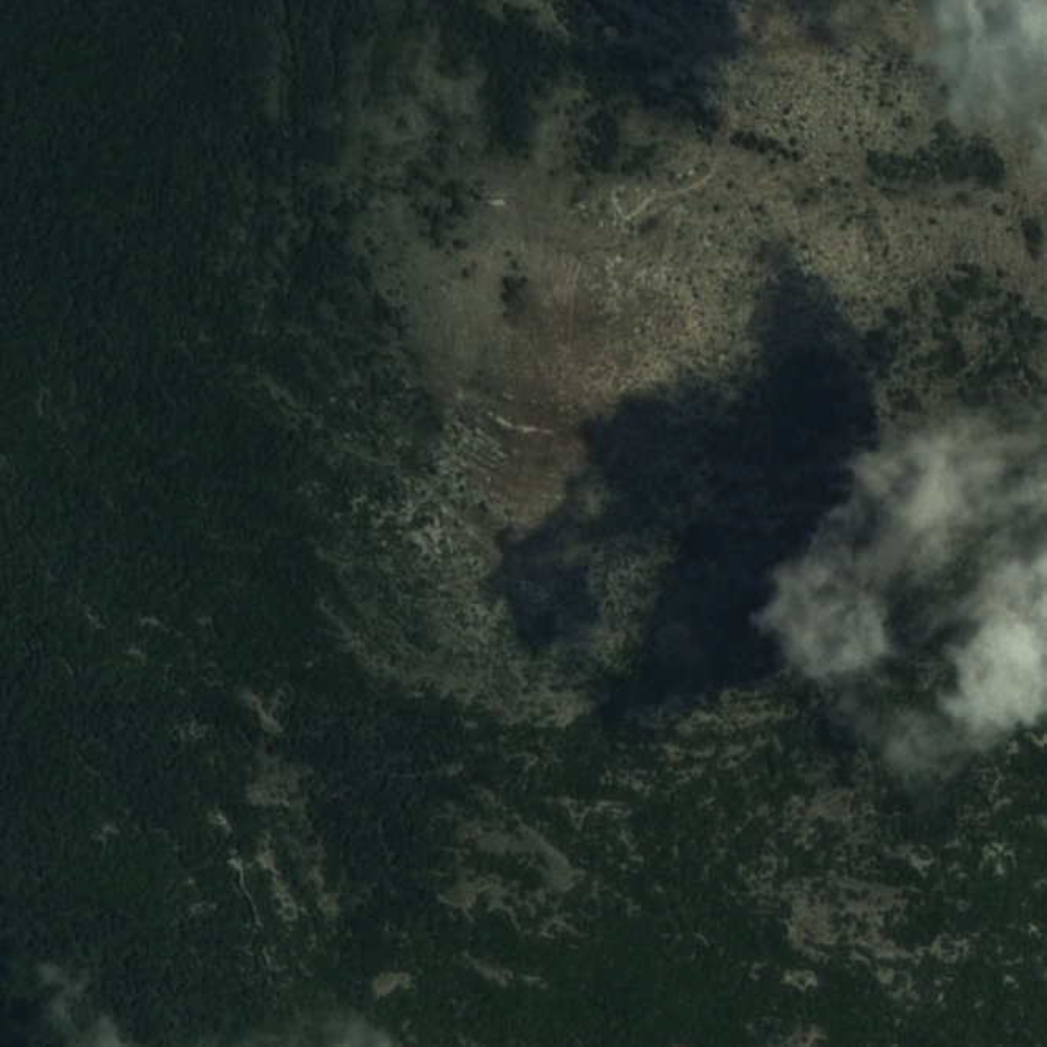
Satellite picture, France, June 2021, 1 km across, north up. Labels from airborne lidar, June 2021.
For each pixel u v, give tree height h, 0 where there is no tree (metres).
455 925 6
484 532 0
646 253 0
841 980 6
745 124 0
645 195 0
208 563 8
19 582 7
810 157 0
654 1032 6
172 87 6
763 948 6
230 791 6
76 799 7
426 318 0
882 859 8
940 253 0
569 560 0
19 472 6
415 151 0
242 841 7
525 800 6
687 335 0
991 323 7
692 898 6
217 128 8
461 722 6
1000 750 7
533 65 7
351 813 13
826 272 0
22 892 10
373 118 0
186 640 6
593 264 0
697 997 7
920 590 5
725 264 0
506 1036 6
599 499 0
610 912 6
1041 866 6
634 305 0
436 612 0
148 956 7
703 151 0
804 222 0
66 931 7
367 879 9
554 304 0
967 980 5
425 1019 6
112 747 6
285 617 7
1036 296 0
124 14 6
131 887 7
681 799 7
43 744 6
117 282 8
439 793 8
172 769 8
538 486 0
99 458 6
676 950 7
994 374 7
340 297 8
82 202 9
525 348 0
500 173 0
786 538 6
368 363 7
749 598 7
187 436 6
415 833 9
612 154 7
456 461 0
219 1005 7
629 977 6
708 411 0
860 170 0
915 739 7
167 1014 9
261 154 8
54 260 9
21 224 6
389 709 8
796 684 9
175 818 10
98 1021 8
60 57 7
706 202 0
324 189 6
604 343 0
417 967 6
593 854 6
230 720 6
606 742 7
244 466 5
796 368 8
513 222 0
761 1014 6
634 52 7
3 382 6
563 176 0
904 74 0
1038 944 7
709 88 0
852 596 7
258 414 6
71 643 7
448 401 0
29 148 7
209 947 8
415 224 0
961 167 7
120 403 8
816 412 9
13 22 5
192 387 6
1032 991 6
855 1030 7
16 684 10
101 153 8
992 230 0
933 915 7
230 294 5
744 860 5
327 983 8
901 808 6
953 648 7
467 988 7
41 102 7
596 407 0
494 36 7
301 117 9
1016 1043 6
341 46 10
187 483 8
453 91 0
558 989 6
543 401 0
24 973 9
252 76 8
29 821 12
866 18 0
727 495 8
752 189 0
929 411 0
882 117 0
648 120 0
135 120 6
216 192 6
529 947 6
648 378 0
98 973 9
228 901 7
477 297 0
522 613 0
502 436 0
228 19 9
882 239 0
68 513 6
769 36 0
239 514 5
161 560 7
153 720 7
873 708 10
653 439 0
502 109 7
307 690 6
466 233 0
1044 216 0
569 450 0
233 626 6
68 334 6
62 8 7
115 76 7
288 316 8
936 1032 5
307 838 6
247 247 7
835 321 0
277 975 6
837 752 8
